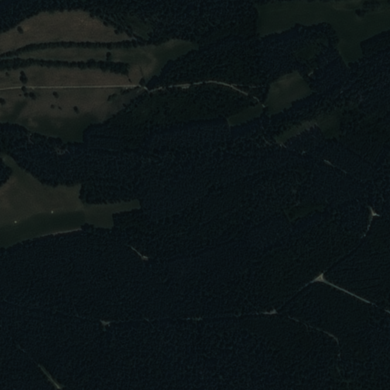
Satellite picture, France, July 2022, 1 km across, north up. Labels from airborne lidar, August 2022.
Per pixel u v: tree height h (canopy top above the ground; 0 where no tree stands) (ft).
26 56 0
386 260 49
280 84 0
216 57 36
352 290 43
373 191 95
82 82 0
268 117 93
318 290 43
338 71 86
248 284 57
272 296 37
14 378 79
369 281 51
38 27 0
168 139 116
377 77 78
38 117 0
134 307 66
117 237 65
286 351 38
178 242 53
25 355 72
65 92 0
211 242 62
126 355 61
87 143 78
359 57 0
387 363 45
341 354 30
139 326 83
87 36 0
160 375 100
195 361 19
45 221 0
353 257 40
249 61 35
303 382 68
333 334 50
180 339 100
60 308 78
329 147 88
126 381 75
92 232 60
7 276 63
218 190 56
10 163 0
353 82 83
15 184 0
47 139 24
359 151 37
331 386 33
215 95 26
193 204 58
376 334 56
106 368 76
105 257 30
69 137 0
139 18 80
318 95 47
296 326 52
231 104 23
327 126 0
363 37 0
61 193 0
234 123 0
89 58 0
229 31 28
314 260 42
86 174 52
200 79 28
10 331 66
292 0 0
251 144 79
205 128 86
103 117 0
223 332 96
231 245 79
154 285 61
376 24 0
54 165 80
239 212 52
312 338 30
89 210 0
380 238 38
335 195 93
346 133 66
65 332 69
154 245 52
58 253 54
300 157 102
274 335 52
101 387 69
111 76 0
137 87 25
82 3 66
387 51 81
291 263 31
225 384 75
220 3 66
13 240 0
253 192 30
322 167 94
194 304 73
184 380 98
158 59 0
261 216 68
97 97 0
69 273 72
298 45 93
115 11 59
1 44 0
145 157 83
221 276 60
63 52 0
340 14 0
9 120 0
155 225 51
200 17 81
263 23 0
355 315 39
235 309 36
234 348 72
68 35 0
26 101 0
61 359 91
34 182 0
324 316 55
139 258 67
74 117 0
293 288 31
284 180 73
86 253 55
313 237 39
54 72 0
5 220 0
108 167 89
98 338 72
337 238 43
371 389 21
